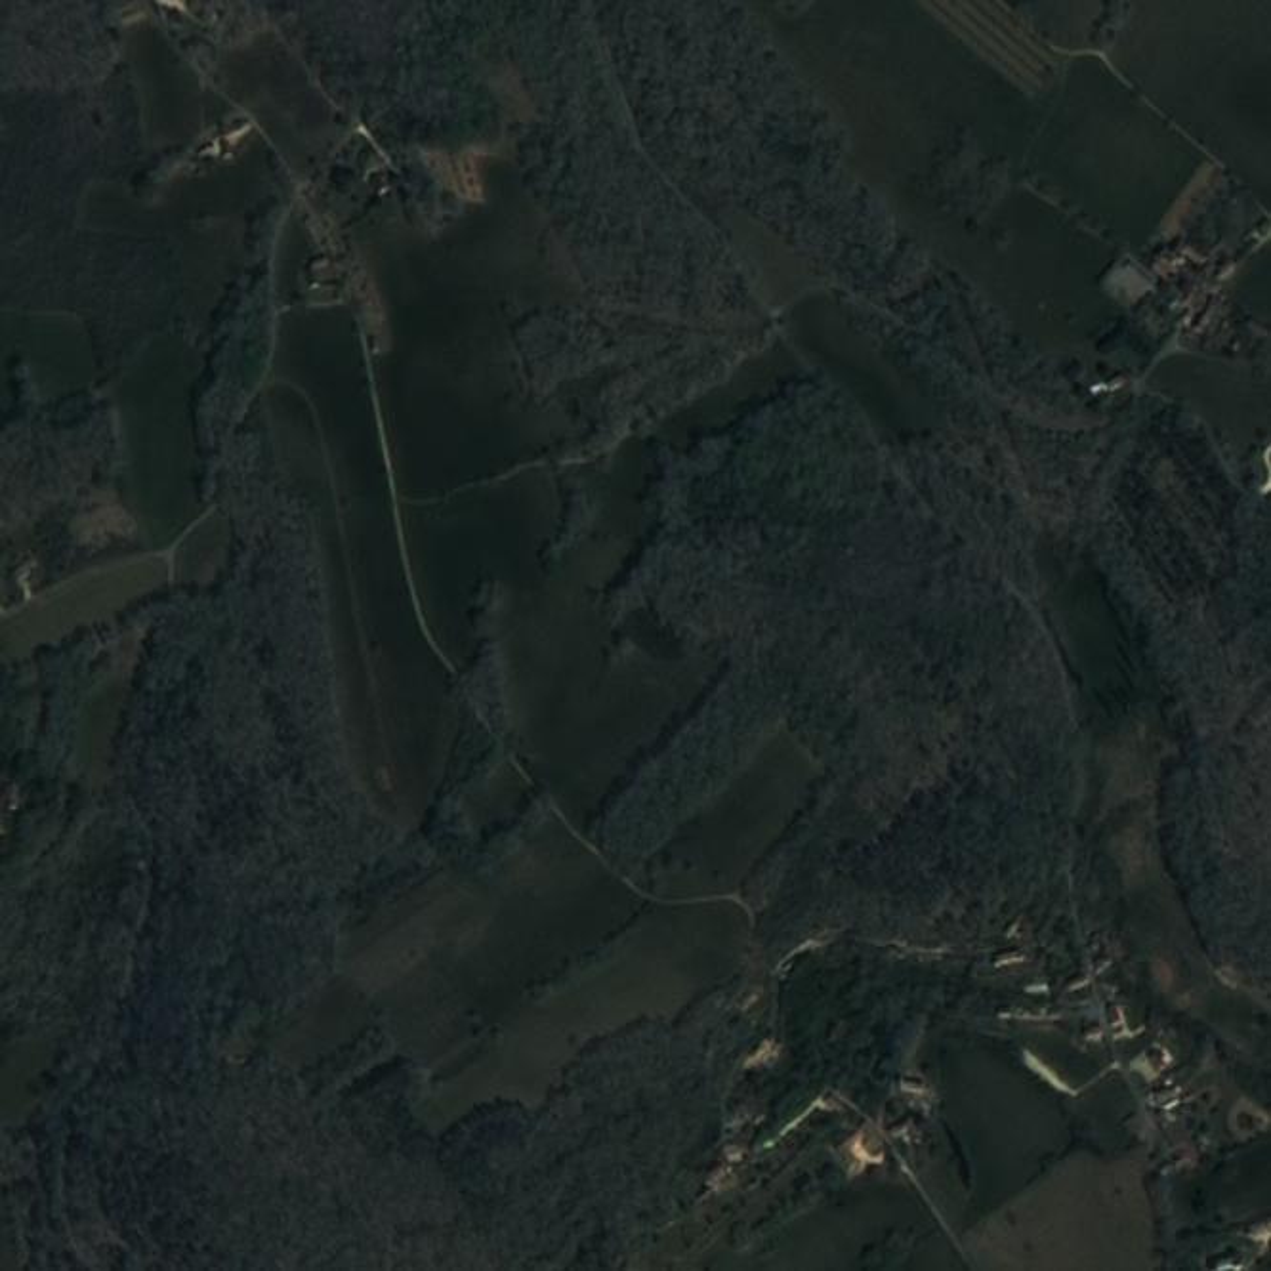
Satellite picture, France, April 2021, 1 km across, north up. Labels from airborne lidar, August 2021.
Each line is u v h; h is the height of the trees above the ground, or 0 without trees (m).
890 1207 0
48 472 23
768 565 9
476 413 0
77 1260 10
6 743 12
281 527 18
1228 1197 0
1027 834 23
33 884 10
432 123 19
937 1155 12
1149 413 7
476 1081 0
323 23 18
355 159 10
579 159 20
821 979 17
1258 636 13
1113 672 0
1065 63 0
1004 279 0
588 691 0
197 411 20
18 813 7
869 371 0
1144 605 16
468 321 0
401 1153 19
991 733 17
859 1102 20
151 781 24
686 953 0
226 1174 16
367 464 0
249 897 17
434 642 0
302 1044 0
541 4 21
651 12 16
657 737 0
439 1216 18
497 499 0
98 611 0
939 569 20
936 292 11
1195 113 0
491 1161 19
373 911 16
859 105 0
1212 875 14
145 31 0
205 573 0
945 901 17
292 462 0
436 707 0
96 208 0
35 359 0
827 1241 0
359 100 14
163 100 0
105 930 20
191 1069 18
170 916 9
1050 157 0
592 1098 19
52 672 22
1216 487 11
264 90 0
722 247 14
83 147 10
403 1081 18
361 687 0
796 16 9
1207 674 14
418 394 0
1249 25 0
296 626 17
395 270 0
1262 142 0
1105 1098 0
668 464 16
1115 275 0
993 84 0
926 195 6
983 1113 0
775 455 20
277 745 13
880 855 17
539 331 16
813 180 18
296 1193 16
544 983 9
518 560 0
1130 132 0
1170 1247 17
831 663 12
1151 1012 7
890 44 0
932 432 10
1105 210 0
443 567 0
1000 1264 0
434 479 0
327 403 0
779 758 0
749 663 17
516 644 0
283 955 22
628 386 14
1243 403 0
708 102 14
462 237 0
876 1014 34
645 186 17
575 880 0
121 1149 13
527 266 0
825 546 12
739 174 18
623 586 12
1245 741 11
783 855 13
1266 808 9
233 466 19
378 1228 19
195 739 21
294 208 0
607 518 0
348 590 0
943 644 14
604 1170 23
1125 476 10
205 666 18
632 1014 0
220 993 24
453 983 0
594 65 20
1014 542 34
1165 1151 7
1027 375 13
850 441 28
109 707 0
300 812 14
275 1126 22
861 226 19
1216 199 9
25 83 17
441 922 0
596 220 15
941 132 0
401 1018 0
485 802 0
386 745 0
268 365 16
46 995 12
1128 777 0
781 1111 17
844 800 12
